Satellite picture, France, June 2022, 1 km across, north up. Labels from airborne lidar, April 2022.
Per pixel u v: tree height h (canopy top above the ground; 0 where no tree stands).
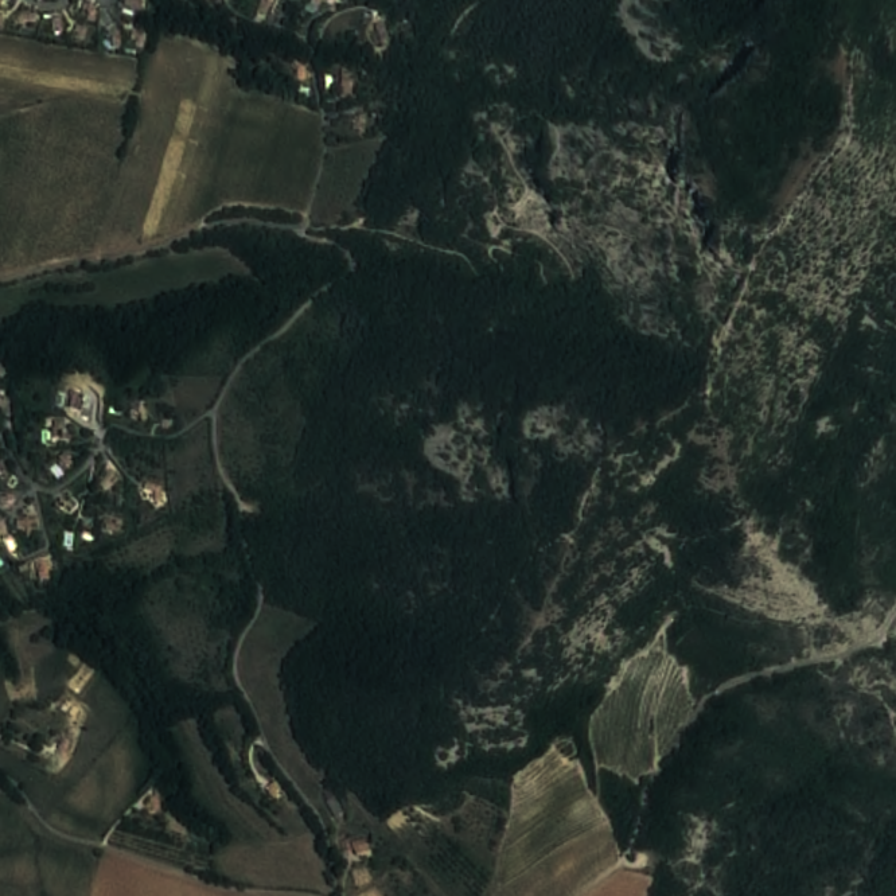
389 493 6
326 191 0
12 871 0
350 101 7
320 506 10
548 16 10
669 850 8
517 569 5
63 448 7
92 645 24
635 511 5
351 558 6
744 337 6
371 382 7
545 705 6
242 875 0
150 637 9
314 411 8
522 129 8
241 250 12
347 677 9
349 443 8
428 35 8
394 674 7
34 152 0
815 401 7
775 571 0
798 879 8
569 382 7
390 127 8
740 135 7
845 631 0
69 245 0
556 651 6
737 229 11
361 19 0
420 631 8
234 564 6
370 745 7
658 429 6
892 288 9
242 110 0
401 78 11
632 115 8
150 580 10
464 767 11
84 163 0
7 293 0
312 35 10
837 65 0
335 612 9
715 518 7
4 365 15
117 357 11
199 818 15
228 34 15
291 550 7
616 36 6
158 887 0
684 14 6
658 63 6
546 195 18
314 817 9
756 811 6
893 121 0
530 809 0
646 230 0
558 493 6
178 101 0
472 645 8
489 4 7
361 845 0
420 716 7
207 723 16
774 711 0
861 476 7
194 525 7
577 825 0
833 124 6
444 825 0
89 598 21
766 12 7
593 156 0
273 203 0
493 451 8
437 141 8
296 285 10
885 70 9
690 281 7
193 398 0
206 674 6
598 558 6
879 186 0
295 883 0
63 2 0
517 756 9
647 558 7
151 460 6
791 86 6
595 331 6
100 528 6
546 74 6
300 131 0
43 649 0
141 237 0
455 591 5
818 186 8
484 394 8
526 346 7
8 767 0
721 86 23
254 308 10
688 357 8
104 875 0
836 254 10
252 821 0
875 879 6
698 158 7
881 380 6
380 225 8
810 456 8
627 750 0
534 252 9
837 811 7
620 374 9
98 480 7
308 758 9
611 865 0
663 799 12
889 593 0
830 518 8
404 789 8
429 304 5
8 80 0
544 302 7
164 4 14
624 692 0
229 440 0
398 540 8
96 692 0
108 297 0
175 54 0
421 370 6
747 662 7
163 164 0
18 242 0
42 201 0
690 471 6
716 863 6
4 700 0
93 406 0
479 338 7
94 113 0
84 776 0
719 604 6
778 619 0
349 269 7
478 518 6
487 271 8
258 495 6
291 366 10
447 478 7
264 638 0
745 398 7
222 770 15
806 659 0
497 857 0
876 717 7
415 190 9
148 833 6
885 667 0
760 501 7
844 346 9
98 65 0
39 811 0
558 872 0
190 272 0
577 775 0
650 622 10
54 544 6
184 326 17
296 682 7
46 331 13
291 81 14
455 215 8
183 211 0
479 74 9
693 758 13
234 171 0
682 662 0
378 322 12
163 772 15
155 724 20
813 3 7
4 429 11
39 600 12
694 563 7
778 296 7
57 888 0
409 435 6
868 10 6
